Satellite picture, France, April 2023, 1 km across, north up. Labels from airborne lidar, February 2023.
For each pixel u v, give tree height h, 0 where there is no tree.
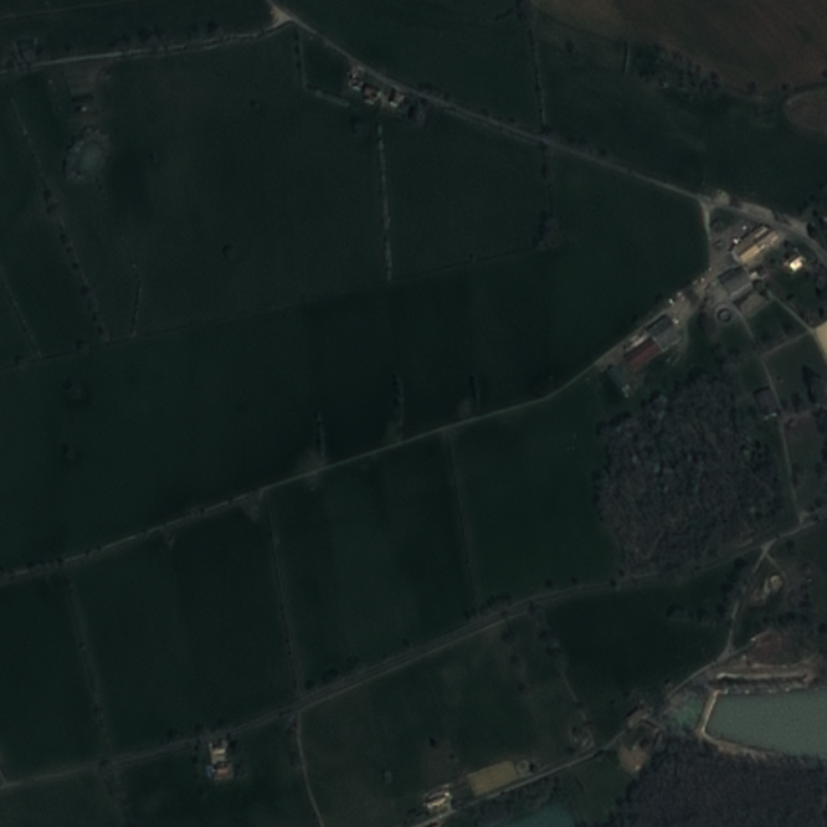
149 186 0
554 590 16
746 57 0
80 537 0
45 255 0
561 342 0
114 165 0
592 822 0
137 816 0
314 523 0
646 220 0
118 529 0
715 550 19
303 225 0
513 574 0
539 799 7
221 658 0
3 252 0
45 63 10
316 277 0
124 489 0
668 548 16
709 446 19
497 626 0
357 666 15
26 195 0
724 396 25
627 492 25
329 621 0
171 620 0
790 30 0
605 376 0
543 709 0
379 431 0
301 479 0
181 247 0
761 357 15
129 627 0
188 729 0
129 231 0
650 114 0
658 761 14
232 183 0
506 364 0
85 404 0
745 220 0
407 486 0
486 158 0
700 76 13
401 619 0
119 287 0
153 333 0
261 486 0
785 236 0
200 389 0
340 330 0
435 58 0
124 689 0
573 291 0
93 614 0
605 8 0
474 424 0
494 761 0
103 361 0
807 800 15
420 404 0
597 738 0
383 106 0
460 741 0
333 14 0
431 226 0
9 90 0
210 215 0
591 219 0
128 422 0
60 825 0
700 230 0
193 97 0
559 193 0
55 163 0
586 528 0
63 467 0
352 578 0
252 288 0
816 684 9
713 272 0
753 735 0
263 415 0
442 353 0
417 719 0
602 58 0
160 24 0
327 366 0
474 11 0
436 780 0
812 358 0
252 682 0
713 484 17
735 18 0
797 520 0
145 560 0
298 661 0
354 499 0
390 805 0
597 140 0
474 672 0
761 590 0
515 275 0
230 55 0
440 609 0
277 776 0
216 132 0
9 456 0
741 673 0
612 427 10
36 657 0
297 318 0
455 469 0
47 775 0
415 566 0
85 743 0
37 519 0
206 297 0
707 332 18
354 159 0
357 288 0
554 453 0
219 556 0
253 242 0
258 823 0
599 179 0
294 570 0
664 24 0
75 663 0
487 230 0
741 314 0
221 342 0
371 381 0
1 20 0
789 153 0
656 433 18
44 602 0
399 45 0
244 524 0
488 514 0
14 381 0
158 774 0
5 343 0
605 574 0
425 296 0
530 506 0
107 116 0
